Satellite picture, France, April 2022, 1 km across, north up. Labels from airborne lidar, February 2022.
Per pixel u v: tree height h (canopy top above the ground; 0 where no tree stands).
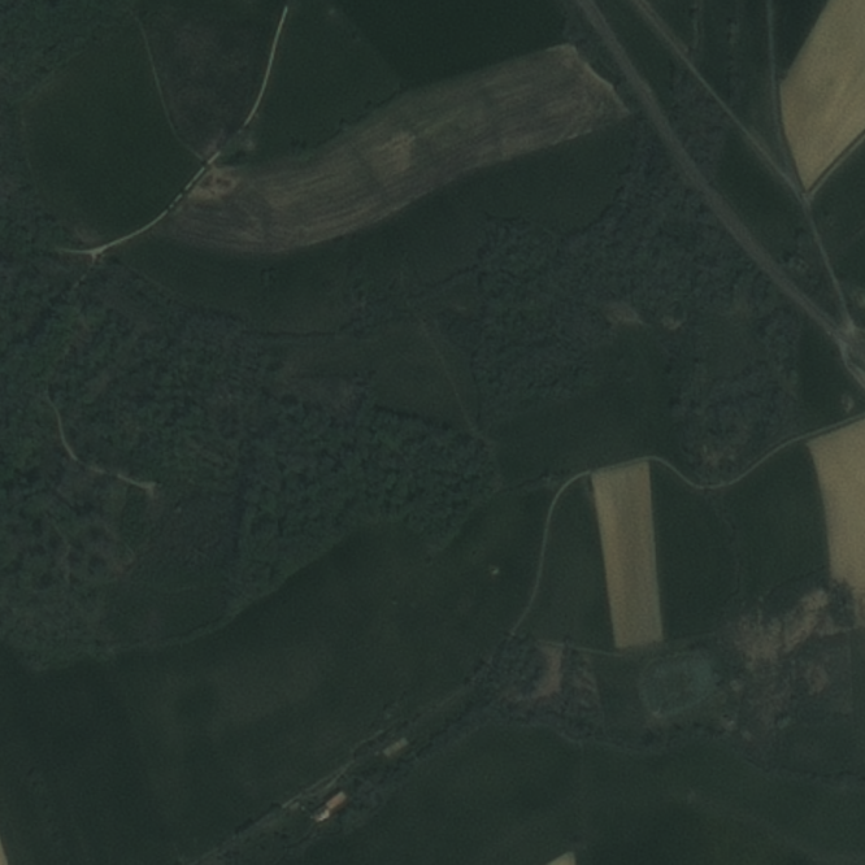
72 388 15
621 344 0
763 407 22
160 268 0
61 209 0
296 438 22
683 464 0
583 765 0
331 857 0
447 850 0
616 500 0
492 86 0
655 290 19
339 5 0
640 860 0
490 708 21
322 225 0
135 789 0
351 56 0
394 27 0
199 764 0
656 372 0
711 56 0
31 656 14
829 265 0
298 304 0
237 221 0
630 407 0
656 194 14
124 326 22
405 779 11
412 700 0
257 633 0
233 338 29
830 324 0
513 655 18
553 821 0
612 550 0
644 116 7
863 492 0
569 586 0
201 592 0
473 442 14
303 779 0
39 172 0
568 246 15
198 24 0
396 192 0
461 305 0
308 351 0
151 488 0
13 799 0
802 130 0
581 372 14
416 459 33
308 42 0
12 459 25
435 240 0
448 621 0
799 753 0
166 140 0
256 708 0
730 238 5
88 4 29
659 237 19
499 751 0
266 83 0
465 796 0
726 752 0
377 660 0
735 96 14
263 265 0
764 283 15
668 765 0
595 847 0
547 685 0
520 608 0
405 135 0
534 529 0
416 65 0
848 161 0
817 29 0
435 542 17
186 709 0
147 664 0
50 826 9
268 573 26
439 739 11
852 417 0
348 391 0
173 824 0
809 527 0
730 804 0
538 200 0
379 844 0
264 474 32
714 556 0
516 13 0
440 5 0
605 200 0
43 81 23
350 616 0
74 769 0
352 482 28
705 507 0
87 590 28
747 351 0
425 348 0
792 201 0
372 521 23
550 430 0
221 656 0
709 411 6
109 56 0
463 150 0
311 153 17
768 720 0
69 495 27
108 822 0
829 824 0
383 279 0
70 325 32
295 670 0
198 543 6
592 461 0
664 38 0
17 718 0
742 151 0
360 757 12
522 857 0
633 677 0
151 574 6
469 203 0
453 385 0
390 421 24
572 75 0
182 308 11
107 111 0
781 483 0
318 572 0
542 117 0
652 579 0
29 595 28
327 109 0
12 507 26
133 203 0
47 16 31
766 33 0
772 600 5
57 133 0
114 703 0
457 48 0
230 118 0
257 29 0
